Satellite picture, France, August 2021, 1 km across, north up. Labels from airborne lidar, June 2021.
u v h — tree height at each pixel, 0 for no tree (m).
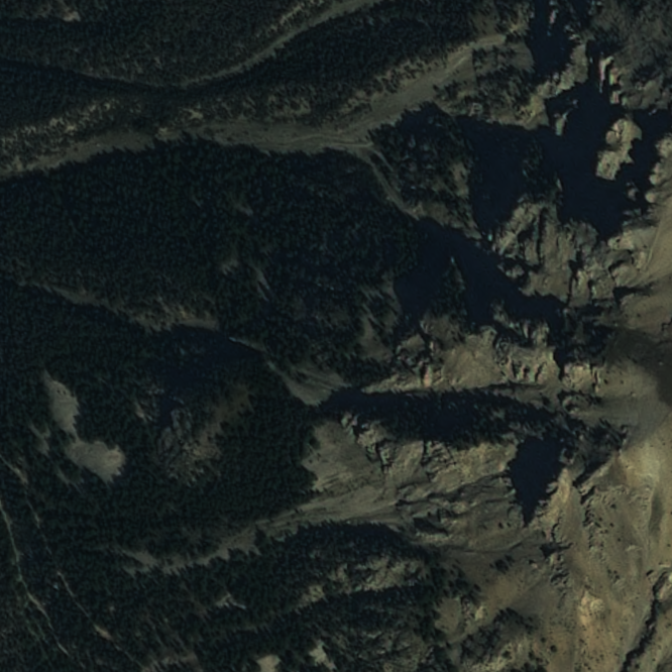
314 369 0
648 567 0
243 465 16
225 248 17
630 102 0
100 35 6
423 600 16
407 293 0
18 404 13
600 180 0
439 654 12
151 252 18
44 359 20
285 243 27
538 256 0
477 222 0
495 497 0
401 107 0
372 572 12
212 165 14
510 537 0
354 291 16
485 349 0
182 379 9
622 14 0
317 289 15
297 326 13
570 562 0
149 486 15
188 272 16
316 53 10
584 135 0
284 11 8
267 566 18
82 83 19
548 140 0
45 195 16
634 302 0
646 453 0
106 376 21
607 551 0
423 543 0
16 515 8
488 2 0
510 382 0
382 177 0
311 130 0
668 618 0
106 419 18
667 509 0
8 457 14
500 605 0
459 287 10
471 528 0
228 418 0
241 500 17
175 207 13
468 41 9
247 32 13
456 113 0
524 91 8
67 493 17
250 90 12
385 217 8
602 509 0
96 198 18
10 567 22
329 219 17
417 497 0
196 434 9
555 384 0
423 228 7
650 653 0
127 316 7
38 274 20
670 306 0
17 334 15
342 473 0
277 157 15
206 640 19
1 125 8
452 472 0
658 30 0
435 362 10
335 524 0
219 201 15
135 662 21
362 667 12
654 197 0
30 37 12
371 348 0
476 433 9
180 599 15
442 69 0
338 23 10
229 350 9
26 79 18
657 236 0
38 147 8
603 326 0
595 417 0
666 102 0
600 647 0
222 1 15
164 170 27
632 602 0
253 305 20
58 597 21
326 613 12
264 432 16
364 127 0
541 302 0
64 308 18
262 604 22
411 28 17
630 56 0
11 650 14
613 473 0
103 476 0
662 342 0
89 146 0
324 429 0
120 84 9
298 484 17
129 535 17
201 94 6
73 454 0
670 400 0
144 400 8
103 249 19
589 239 0
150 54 13
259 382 16
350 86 7
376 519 0
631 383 0
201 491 23
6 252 7
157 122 10
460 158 18
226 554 0
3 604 12
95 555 11
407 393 0
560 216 0
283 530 0
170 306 10
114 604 22
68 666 12
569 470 0
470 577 0
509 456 0
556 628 0
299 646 13
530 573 0
